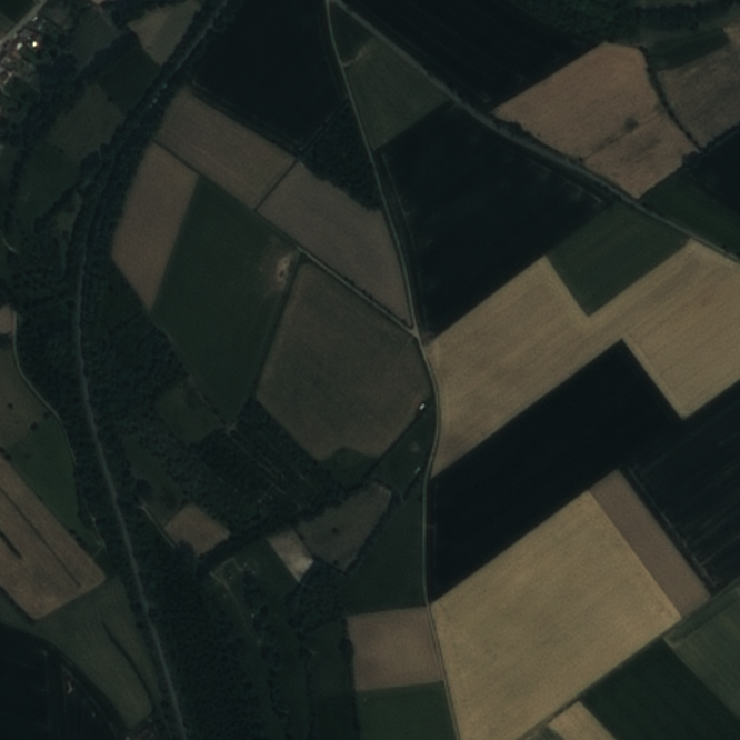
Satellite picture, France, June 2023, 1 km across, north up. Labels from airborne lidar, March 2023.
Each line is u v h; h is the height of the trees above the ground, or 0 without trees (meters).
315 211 0
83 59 0
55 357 27
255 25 0
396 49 0
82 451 13
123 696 0
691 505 0
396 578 0
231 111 0
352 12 0
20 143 15
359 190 17
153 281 0
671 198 0
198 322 0
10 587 0
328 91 0
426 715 0
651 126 0
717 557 0
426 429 0
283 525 7
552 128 0
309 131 0
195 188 0
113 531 11
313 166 15
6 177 0
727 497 0
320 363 0
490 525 0
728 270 0
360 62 0
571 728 0
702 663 0
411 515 0
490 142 0
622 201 9
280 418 0
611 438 0
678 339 0
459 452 0
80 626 0
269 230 0
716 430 0
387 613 0
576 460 0
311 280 0
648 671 0
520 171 0
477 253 0
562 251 0
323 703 0
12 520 0
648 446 0
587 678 0
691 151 0
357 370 0
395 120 0
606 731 0
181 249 0
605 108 0
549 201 0
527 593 0
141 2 24
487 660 0
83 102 0
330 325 0
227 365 0
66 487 0
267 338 0
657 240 0
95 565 0
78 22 8
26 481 0
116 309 0
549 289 0
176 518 0
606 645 0
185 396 0
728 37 0
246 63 0
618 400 0
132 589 10
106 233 19
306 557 0
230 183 0
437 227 0
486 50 0
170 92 12
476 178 0
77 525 0
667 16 19
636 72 0
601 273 0
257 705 16
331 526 0
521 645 0
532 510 0
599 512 0
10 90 0
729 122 0
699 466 0
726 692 0
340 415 0
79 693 0
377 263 0
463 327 0
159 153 0
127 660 0
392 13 0
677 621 0
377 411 0
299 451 7
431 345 0
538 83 0
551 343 0
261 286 0
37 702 0
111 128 0
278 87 0
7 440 0
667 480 0
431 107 0
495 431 0
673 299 0
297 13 0
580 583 0
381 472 0
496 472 0
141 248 0
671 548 0
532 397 0
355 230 0
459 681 0
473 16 0
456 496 0
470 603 0
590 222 0
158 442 7
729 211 0
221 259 0
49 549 0
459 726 0
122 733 0
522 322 0
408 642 0
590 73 0
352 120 9
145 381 15
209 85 0
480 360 0
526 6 13
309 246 0
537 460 0
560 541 0
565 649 0
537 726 0
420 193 0
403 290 0
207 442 7
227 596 0
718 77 0
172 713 13
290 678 0
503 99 0
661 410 0
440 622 0
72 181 0
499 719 0
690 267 0
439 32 0
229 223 0
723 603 0
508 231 0
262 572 0
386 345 0
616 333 0
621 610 0
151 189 0
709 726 0
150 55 0
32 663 0
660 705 0
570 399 0
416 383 0
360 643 0
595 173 0
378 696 0
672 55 0
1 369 0
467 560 0
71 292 14
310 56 0
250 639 0
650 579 0
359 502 0
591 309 0
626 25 18
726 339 0
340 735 0
